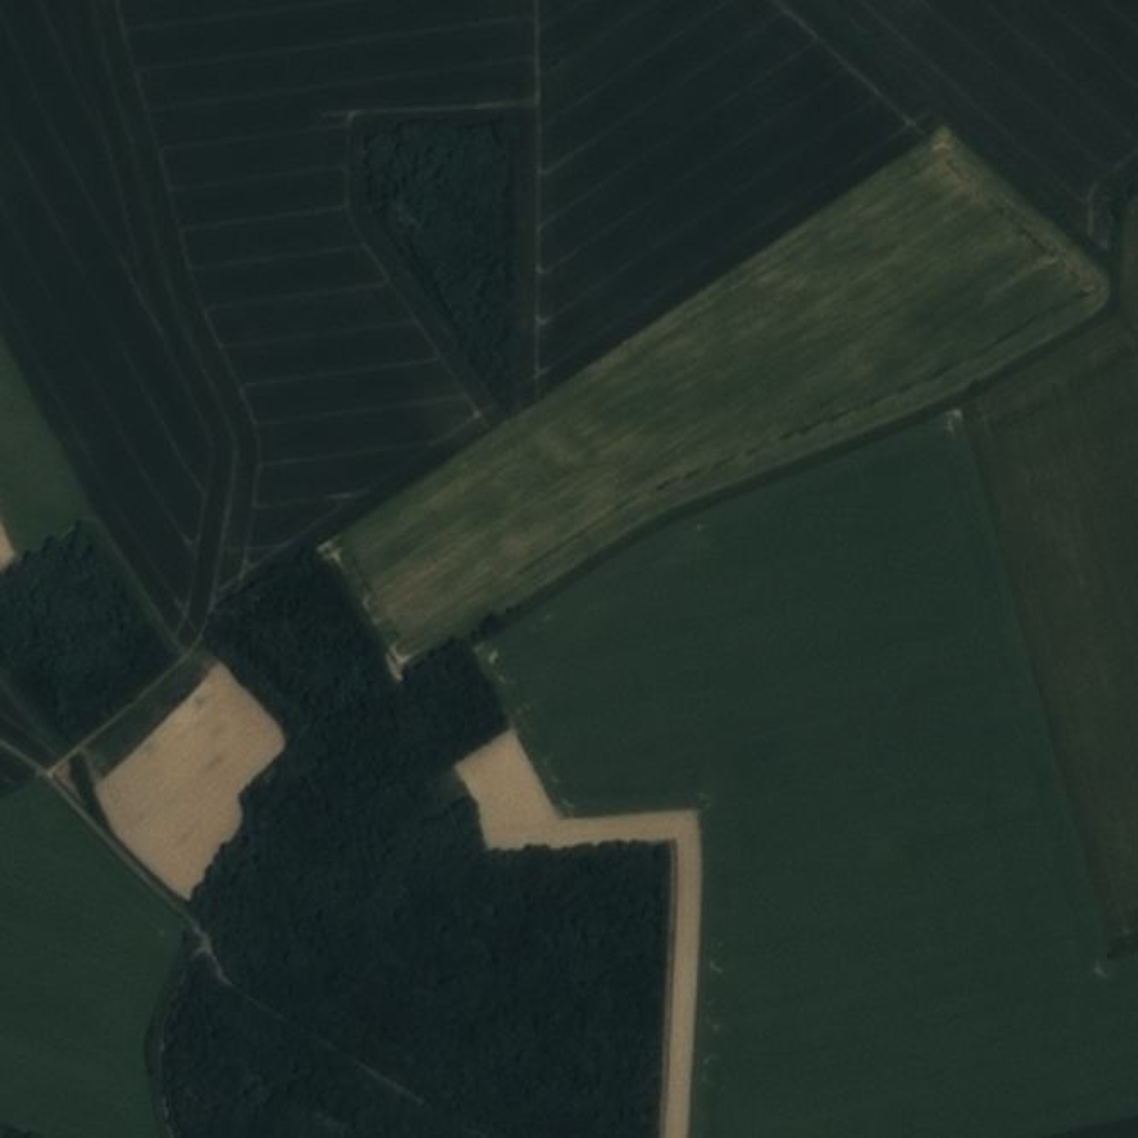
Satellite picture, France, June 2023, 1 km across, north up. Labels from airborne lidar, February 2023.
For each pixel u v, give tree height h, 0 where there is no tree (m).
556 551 0
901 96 0
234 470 0
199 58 0
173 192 0
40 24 0
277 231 0
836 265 0
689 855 0
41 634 15
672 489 0
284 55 0
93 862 0
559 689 0
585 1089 6
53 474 0
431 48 0
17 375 0
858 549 0
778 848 0
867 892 0
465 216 18
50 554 15
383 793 18
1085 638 0
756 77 0
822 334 0
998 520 0
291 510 0
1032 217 0
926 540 0
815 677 0
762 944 0
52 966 0
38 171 0
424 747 7
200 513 0
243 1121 19
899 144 0
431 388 0
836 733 0
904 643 0
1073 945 0
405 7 0
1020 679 0
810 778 0
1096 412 0
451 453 0
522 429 0
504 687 0
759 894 0
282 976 19
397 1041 15
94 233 0
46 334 0
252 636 13
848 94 0
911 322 0
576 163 0
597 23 0
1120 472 0
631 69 0
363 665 12
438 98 0
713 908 0
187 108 0
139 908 0
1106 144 0
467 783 0
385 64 0
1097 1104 0
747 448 0
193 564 0
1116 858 0
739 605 0
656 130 0
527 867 15
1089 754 0
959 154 0
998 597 0
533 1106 16
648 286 0
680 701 0
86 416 0
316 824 13
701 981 0
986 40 0
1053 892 0
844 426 0
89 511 0
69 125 0
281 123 0
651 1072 9
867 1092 0
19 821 0
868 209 0
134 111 0
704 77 0
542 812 0
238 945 18
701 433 0
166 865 0
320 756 7
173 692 0
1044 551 0
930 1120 0
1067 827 0
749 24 0
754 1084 0
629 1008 17
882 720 0
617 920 21
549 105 0
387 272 0
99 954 0
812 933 0
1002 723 0
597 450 0
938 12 0
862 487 0
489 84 0
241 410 0
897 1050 0
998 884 0
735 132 0
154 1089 0
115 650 12
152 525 0
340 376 0
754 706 0
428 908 19
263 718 0
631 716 0
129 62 0
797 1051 0
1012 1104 0
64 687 14
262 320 0
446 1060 14
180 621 0
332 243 0
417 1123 17
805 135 0
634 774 0
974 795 0
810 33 0
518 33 0
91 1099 0
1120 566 0
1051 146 0
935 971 0
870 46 0
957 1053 0
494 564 0
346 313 0
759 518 0
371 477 0
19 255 0
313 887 16
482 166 21
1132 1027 0
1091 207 0
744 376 0
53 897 0
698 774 0
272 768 6
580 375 0
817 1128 0
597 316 0
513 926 13
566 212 0
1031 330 0
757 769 0
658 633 0
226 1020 20
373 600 0
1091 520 0
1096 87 0
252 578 0
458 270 18
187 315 0
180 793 0
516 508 0
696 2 0
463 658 16
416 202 18
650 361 0
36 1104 0
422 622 0
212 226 0
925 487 0
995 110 0
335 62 0
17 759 0
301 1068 16
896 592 0
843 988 0
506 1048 19
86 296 0
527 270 0
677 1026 0
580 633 0
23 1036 0
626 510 0
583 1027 12
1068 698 0
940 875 0
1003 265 0
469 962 20
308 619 15
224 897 16
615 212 0
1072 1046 0
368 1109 15
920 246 0
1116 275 0
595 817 0
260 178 0
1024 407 0
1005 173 0
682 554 0
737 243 0
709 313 0
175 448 0
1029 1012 0
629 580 0
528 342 0
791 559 0
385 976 15
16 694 0
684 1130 0
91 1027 0
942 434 0
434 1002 18
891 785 0
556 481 0
